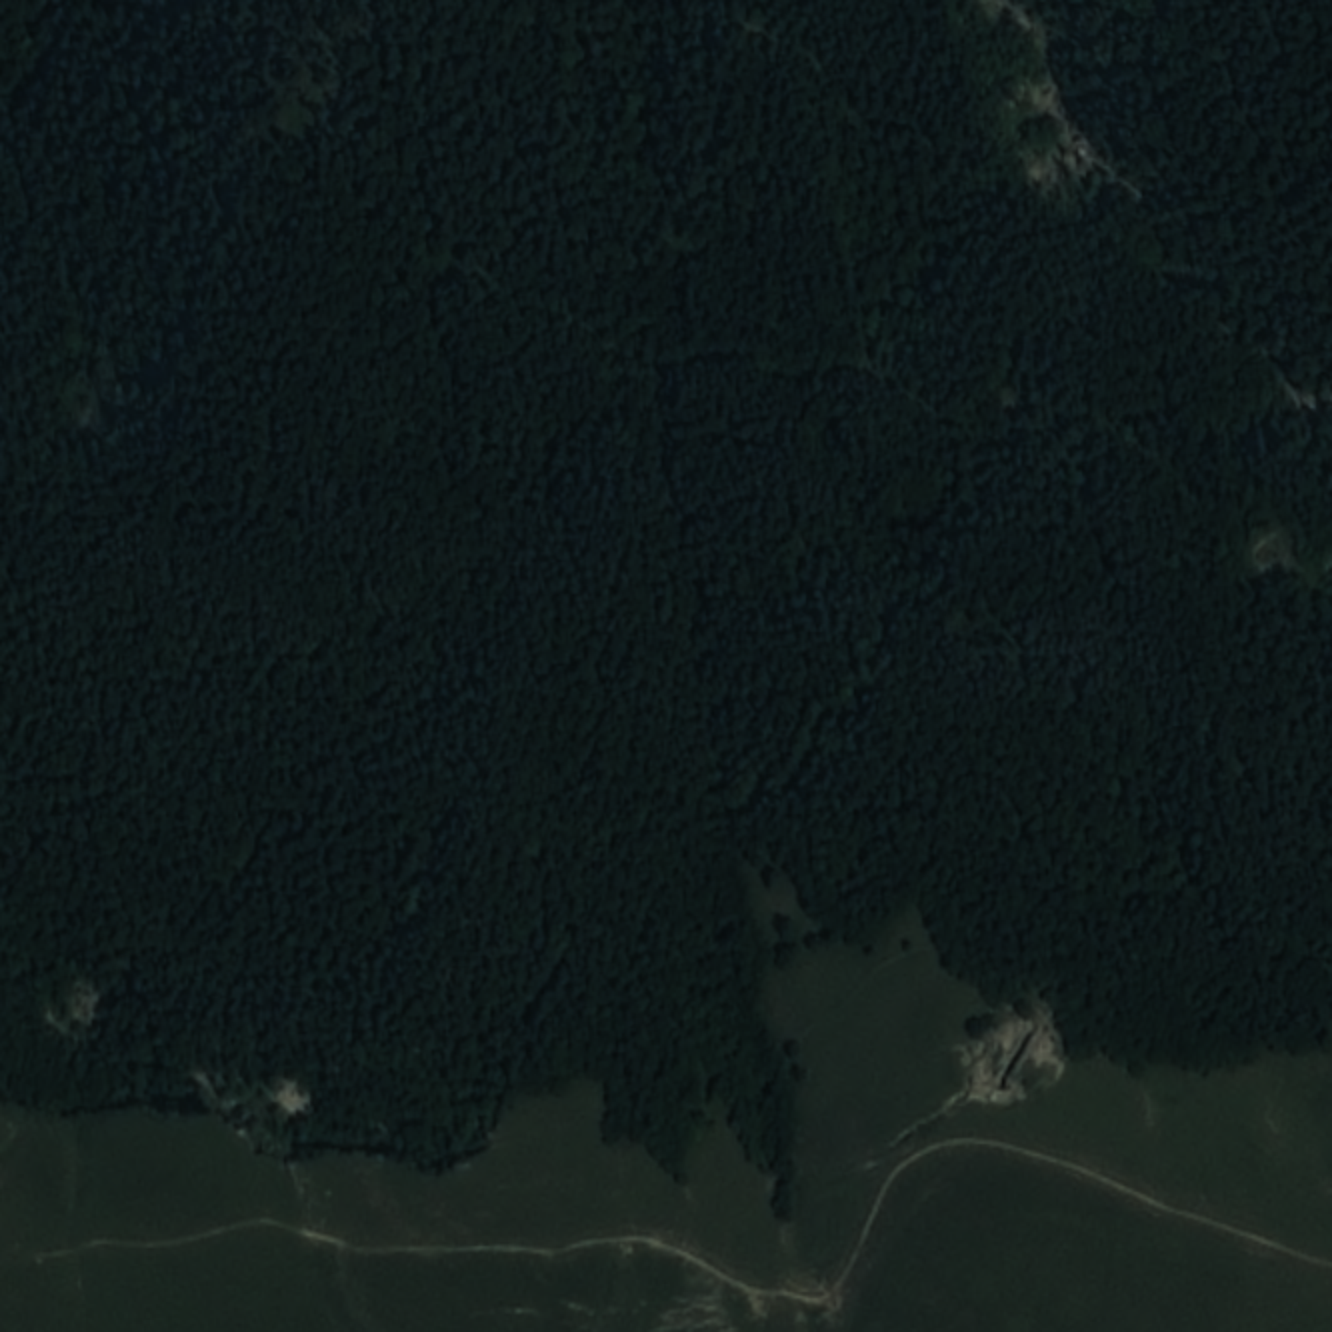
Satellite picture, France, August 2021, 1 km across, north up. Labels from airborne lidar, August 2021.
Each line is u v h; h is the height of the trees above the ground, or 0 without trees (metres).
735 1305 0
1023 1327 0
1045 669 24
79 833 22
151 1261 0
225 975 26
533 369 25
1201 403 28
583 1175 0
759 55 15
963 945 16
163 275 27
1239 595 17
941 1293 0
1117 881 22
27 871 18
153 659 17
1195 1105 0
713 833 20
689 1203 0
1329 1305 0
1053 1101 0
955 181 11
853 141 20
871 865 19
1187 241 22
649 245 21
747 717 22
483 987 17
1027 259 14
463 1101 14
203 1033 11
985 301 19
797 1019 0
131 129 28
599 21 34
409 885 17
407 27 25
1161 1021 22
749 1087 20
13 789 10
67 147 26
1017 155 8
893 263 24
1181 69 23
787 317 15
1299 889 20
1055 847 15
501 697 17
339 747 27
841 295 16
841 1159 0
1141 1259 0
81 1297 0
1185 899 18
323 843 16
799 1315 0
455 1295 0
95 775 25
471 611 21
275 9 28
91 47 26
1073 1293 0
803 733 30
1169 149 6
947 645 22
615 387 18
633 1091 10
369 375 22
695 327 26
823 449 11
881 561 13
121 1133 0
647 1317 0
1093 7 28
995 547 20
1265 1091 0
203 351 24
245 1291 0
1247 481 19
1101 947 19
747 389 23
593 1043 16
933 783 18
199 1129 0
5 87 19
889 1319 0
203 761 14
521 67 23
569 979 13
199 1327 0
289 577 22
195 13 35
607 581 18
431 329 16
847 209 20
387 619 6
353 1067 11
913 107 21
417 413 18
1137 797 18
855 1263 0
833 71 15
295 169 21
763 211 7
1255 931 25
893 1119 0
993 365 22
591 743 20
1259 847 18
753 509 17
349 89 13
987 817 16
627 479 27
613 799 26
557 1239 0
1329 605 19
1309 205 21
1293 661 21
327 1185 0
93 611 20
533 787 17
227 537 18
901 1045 0
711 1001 29
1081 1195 0
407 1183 0
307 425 22
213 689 25
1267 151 9
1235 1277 0
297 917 20
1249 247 11
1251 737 16
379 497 21
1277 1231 0
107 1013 14
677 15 20
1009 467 19
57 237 30
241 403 13
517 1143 0
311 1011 16
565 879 19
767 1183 0
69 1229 0
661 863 17
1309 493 17
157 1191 0
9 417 25
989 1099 0
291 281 24
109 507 22
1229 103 21
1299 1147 0
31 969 8
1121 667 23
